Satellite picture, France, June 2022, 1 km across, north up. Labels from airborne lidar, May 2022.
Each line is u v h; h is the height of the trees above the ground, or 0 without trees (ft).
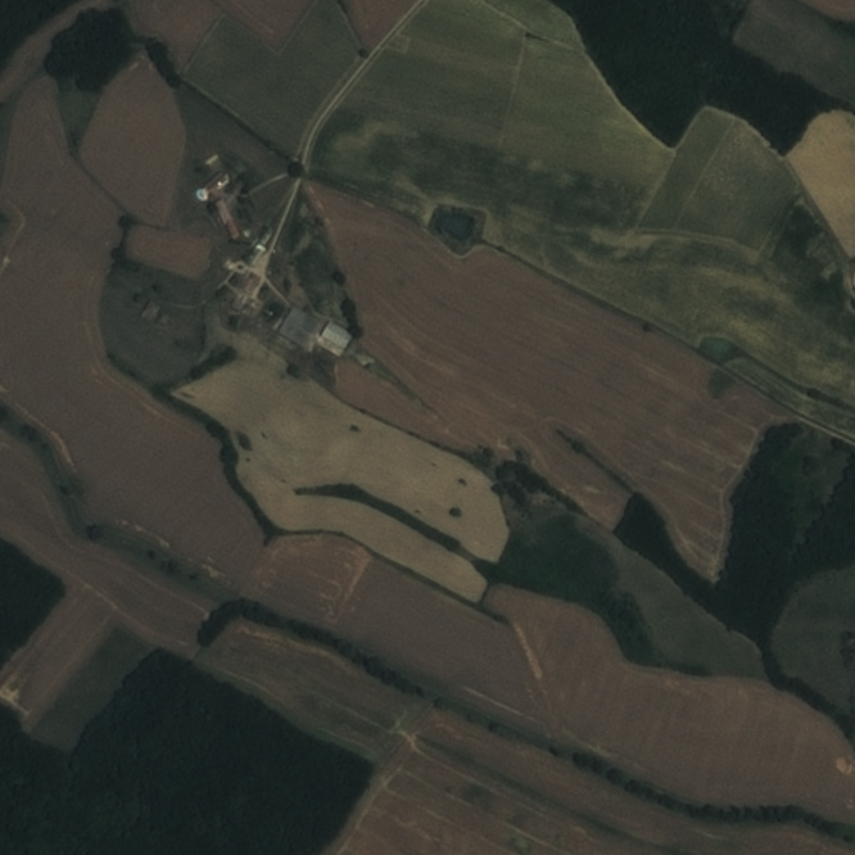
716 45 56
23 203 0
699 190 0
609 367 0
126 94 0
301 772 51
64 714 0
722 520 0
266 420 0
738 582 55
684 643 0
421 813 0
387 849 0
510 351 0
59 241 0
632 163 0
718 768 0
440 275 0
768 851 0
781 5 0
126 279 0
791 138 47
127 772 72
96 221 0
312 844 54
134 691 37
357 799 48
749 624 46
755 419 0
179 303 0
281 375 0
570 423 0
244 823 63
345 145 0
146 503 0
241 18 0
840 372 0
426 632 0
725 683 0
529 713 0
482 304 0
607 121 0
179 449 0
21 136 0
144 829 69
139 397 0
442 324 0
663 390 0
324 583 0
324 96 0
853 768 0
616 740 0
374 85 0
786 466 0
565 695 0
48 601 60
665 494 0
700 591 49
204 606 0
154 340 0
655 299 0
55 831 51
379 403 0
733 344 0
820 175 0
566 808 0
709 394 0
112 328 0
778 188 0
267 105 0
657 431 0
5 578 55
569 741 0
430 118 0
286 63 0
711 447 0
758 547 60
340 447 0
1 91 0
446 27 0
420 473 0
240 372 0
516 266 0
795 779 0
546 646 0
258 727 59
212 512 0
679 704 0
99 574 0
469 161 0
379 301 0
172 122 0
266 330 0
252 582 0
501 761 0
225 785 60
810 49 0
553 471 0
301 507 0
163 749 62
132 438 0
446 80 0
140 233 0
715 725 0
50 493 0
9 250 0
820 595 0
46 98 0
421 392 0
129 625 0
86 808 47
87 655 0
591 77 0
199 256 0
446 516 0
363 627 0
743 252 0
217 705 64
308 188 0
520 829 0
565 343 0
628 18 28
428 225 0
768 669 37
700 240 0
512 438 0
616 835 0
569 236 0
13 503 0
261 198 0
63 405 0
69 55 56
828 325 0
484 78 0
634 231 0
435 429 0
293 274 0
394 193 0
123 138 0
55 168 0
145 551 0
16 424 0
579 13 27
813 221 0
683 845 0
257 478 0
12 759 55
